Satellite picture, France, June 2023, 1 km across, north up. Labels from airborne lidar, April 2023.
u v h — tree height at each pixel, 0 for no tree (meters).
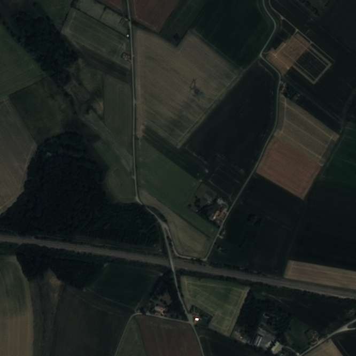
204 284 0
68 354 0
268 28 0
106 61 0
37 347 0
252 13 0
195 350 0
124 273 0
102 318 0
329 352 0
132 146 0
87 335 0
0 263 0
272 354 16
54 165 24
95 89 0
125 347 0
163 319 0
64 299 0
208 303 0
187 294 0
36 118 0
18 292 0
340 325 0
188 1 0
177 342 0
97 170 7
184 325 0
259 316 17
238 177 0
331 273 0
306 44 0
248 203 0
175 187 0
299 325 0
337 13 0
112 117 0
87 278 7
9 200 0
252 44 0
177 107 0
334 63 0
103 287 0
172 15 0
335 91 0
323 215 0
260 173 0
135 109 0
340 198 0
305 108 0
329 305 0
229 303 0
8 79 0
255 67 0
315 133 0
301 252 0
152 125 0
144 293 0
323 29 0
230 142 0
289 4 0
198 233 0
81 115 0
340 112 0
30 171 16
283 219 0
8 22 0
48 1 0
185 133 0
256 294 0
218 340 0
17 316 0
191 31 0
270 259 0
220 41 0
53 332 0
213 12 0
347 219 0
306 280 0
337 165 0
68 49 17
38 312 0
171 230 0
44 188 24
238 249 0
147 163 0
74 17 0
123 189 0
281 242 0
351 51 0
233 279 7
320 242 0
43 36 20
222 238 0
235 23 0
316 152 0
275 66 0
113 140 0
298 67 0
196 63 0
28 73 0
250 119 0
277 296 0
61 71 17
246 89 0
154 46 0
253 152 0
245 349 0
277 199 0
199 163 0
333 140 0
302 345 0
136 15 0
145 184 0
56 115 0
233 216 0
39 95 0
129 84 0
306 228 0
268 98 0
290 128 0
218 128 0
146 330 0
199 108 0
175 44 0
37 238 10
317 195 0
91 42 0
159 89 0
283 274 0
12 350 0
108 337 0
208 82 0
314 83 0
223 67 0
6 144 0
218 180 0
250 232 0
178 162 0
